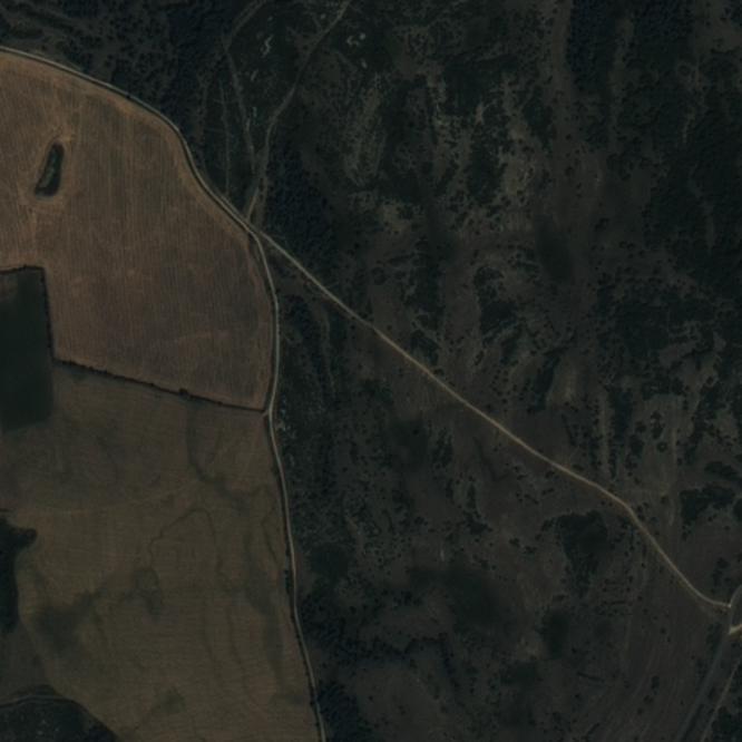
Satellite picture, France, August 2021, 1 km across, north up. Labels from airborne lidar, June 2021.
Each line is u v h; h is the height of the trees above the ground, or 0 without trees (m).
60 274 0
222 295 0
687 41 8
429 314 0
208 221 0
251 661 0
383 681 0
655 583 0
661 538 0
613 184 0
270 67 0
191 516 0
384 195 0
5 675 0
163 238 0
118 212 0
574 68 6
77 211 0
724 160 7
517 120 0
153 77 9
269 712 0
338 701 13
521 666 0
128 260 0
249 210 0
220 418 0
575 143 0
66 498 0
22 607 0
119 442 0
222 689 0
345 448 0
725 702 0
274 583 0
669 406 0
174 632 0
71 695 0
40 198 0
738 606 0
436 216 0
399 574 0
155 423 0
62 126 0
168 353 0
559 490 0
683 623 0
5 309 0
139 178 0
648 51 6
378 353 0
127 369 0
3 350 0
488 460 0
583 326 0
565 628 0
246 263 0
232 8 8
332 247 7
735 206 8
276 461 0
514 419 0
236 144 0
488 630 0
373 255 0
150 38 8
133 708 0
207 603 0
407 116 5
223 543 0
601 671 0
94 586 0
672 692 0
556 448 0
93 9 8
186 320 0
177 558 0
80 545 0
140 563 0
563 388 0
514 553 0
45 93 0
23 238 0
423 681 0
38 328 0
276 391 0
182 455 0
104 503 0
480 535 0
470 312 0
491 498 0
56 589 0
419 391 0
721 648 0
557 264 0
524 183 0
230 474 0
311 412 0
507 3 0
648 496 0
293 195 11
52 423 0
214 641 0
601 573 0
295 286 0
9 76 0
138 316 0
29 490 0
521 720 0
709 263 6
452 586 0
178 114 14
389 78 0
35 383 0
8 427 0
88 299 0
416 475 0
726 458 0
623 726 0
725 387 0
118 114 0
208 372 0
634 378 0
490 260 0
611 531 0
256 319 0
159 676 0
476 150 0
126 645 0
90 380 0
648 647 0
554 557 0
